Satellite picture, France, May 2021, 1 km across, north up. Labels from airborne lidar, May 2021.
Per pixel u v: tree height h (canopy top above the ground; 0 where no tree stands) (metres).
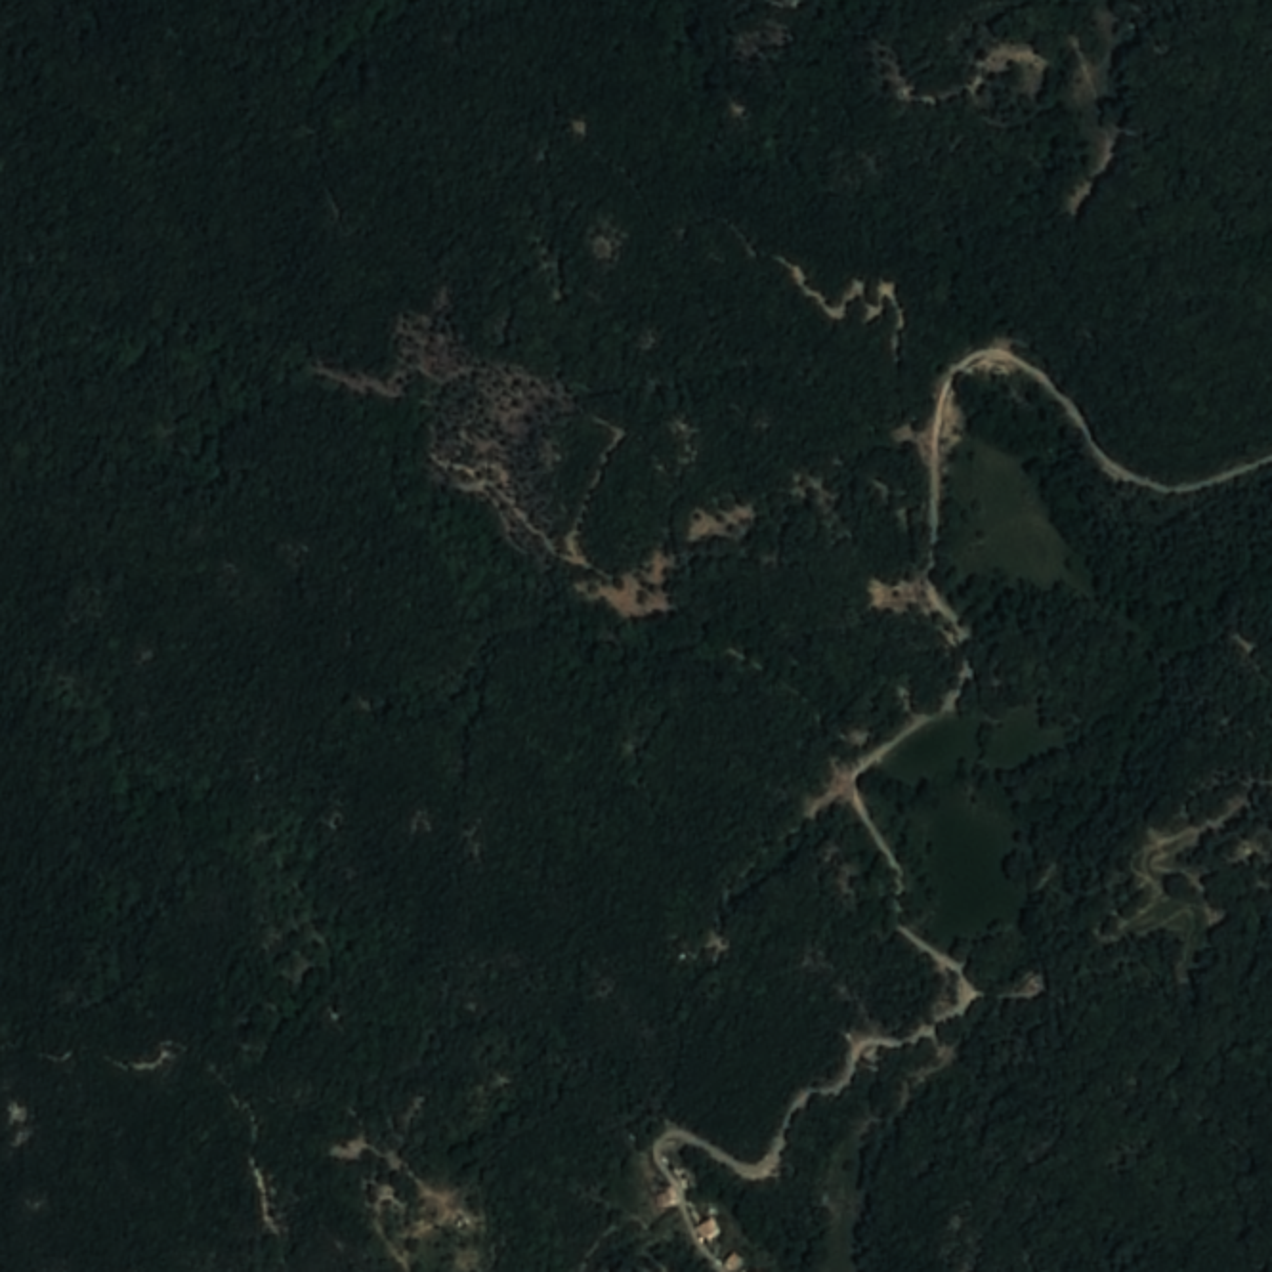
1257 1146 16
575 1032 10
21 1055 8
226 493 15
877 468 16
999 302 19
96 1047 6
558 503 6
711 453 8
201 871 11
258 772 7
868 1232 14
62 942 12
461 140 12
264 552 8
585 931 7
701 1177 13
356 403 16
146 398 8
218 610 6
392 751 11
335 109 10
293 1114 9
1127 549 18
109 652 7
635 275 9
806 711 8
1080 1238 12
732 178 18
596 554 11
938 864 0
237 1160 6
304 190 9
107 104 17
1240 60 13
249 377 9
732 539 11
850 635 9
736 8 16
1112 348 18
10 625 13
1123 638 13
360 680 10
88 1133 9
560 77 12
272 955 13
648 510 10
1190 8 16
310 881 12
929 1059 11
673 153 11
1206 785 10
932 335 18
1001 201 20
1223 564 15
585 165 13
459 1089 10
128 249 8
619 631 20
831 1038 9
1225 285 18
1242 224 20
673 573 10
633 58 16
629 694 13
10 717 10
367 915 13
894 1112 10
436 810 10
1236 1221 12
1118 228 16
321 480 14
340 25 21
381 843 9
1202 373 13
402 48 12
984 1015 9
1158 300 19
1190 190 18
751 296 11
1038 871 11
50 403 11
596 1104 8
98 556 13
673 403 15
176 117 7
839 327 10
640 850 10
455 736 12
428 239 10
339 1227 8
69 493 13
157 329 22
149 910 13
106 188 10
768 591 15
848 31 13
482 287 20
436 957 11
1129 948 11
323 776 5
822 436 13
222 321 15
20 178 11
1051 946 10
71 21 22
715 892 9
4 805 13
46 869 14
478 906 8
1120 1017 13
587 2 13
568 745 13
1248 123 12
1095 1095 12
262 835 14
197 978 7
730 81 16
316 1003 13
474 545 13
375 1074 14
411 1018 11
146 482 17
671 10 22
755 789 9
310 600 19
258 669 12
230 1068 9
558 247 12
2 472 15
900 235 25
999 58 0
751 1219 16
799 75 17
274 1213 9
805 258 13
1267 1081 13
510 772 11
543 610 11
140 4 15
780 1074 9
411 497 18
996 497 0
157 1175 8
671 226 15
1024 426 20
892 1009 9
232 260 9
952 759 0
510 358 13
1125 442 13
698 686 15
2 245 12
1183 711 7
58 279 7
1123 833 10
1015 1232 10
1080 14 20
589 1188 6
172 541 12
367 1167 10
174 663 8
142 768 9
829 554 14
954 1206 6
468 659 11
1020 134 16
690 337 12
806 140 18
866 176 10
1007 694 14
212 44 13
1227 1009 19
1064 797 20
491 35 16
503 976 10
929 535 11
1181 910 0
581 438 9
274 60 18
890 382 18
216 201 7
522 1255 7
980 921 0
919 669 10
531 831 11
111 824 11
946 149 11
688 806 7
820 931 9
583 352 15
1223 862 12
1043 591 9
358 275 11
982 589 17
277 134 13
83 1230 8
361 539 11
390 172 11
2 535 10
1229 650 10
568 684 13
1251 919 18
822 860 10
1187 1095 11
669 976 8
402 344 11
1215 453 14
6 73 16
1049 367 14
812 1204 11
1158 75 12
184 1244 5
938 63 13
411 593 11
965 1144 10
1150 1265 14
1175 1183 16
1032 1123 10
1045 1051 8
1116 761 21
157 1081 6
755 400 9
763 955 7
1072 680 14
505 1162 7
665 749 10
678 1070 9
